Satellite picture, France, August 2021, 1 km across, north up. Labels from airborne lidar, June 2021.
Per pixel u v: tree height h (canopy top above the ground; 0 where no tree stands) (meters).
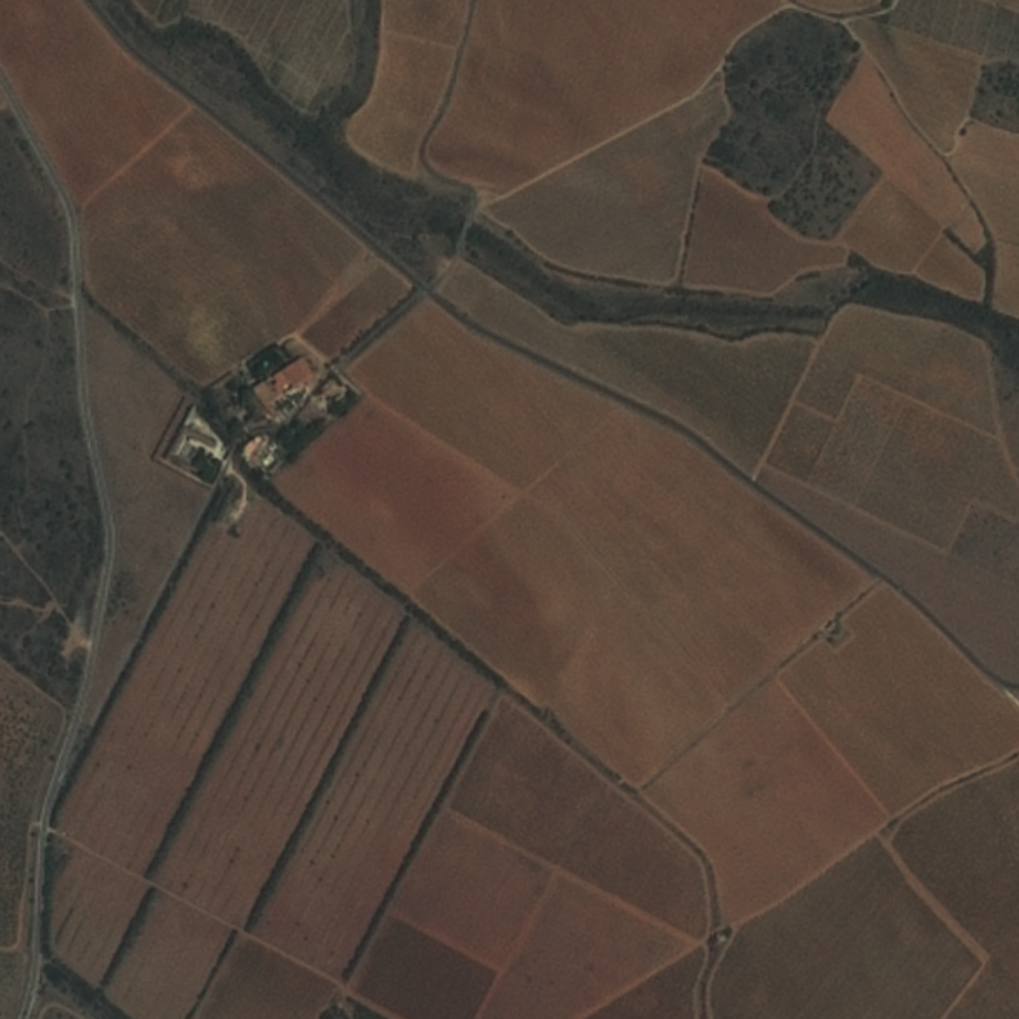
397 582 0
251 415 9
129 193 0
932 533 0
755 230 0
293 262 0
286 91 0
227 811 0
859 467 0
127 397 0
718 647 0
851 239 0
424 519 0
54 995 0
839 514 0
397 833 0
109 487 0
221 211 0
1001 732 0
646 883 0
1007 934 0
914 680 0
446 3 0
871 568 0
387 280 0
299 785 0
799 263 0
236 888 0
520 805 0
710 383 0
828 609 0
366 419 0
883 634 0
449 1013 0
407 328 0
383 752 0
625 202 0
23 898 0
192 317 0
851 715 0
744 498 0
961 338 0
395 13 0
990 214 0
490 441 0
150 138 0
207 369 0
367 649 0
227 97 0
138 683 0
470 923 0
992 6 0
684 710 0
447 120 0
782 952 0
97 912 0
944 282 0
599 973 0
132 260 0
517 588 0
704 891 0
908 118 0
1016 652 0
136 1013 0
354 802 0
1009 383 0
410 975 0
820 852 0
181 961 0
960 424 0
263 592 0
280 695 0
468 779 0
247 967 0
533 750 0
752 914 0
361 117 0
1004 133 0
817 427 0
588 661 0
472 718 0
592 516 0
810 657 0
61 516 7
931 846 0
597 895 0
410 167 0
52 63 0
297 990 0
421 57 0
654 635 0
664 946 0
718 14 0
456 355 0
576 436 0
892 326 0
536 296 0
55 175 0
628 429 0
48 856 7
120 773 0
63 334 0
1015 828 0
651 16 0
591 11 0
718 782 0
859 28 0
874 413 0
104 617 0
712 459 0
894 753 0
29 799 0
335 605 0
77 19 0
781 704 0
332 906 0
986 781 0
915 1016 0
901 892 0
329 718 0
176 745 0
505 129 0
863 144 0
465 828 0
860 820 0
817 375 0
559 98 0
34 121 0
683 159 0
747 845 0
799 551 0
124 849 0
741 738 0
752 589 0
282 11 0
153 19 0
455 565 0
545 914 0
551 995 0
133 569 0
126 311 0
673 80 0
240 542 0
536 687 0
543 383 0
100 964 0
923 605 0
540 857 0
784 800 0
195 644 0
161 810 0
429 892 0
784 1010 0
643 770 0
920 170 0
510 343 0
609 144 0
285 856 6
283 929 0
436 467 0
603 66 0
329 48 0
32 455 0
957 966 0
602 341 0
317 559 7
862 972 0
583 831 0
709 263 0
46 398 0
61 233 0
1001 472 0
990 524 0
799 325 0
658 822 0
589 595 0
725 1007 0
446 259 0
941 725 0
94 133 0
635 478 0
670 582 0
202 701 0
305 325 0
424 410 0
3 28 0
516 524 0
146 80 0
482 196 0
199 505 0
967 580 0
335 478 0
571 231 0
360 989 0
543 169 0
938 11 0
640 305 0
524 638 0
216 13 0
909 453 0
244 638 0
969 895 0
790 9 0
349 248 0
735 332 0
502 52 0
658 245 0
